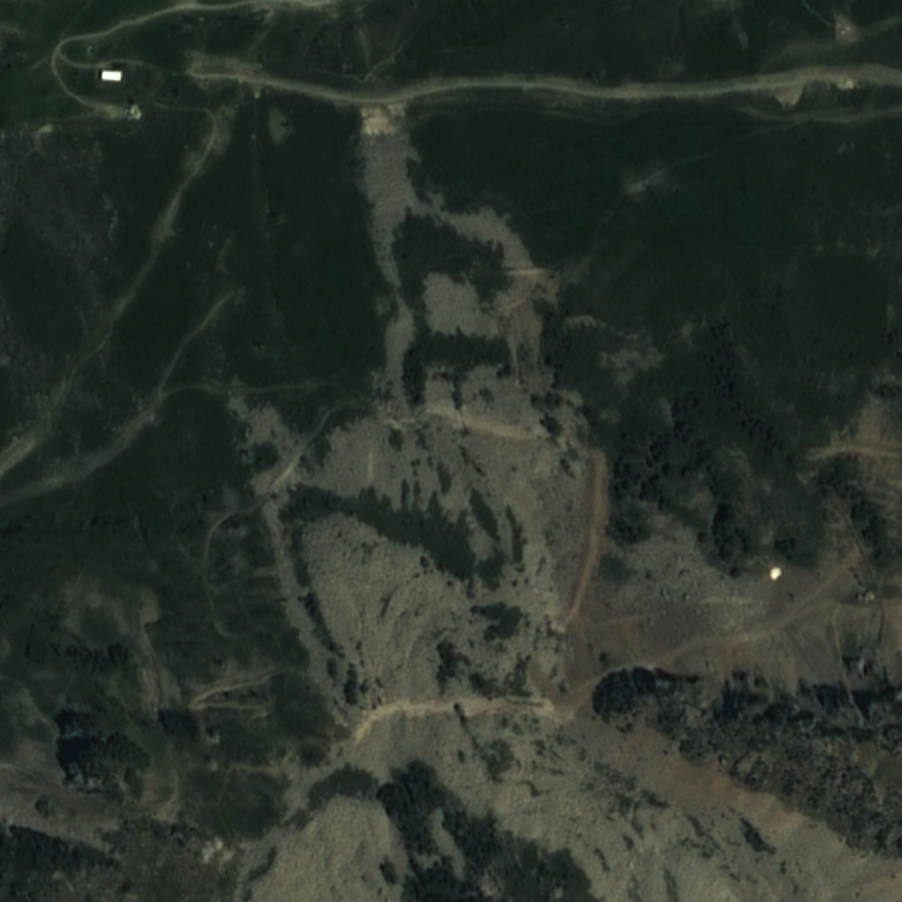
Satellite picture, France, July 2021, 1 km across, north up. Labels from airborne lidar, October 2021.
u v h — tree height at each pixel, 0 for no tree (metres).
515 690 0
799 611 0
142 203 0
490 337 0
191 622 0
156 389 0
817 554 0
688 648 0
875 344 0
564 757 0
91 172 0
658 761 0
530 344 0
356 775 0
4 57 0
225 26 0
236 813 0
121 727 0
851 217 0
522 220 0
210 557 0
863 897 0
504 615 0
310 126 0
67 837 0
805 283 0
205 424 0
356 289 0
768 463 0
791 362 0
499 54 0
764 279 0
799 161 0
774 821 0
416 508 0
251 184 0
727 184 0
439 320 0
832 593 0
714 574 0
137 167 0
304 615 0
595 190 0
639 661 0
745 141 0
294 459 0
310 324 0
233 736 0
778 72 0
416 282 0
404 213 0
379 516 0
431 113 0
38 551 0
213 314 0
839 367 0
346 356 0
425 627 0
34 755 0
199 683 0
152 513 0
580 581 0
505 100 0
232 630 0
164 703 0
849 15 0
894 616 0
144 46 0
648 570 0
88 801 0
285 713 0
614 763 0
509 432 0
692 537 0
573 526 0
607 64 0
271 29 0
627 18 0
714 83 0
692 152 0
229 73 0
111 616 0
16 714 0
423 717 0
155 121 0
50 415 0
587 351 0
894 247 0
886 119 0
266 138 0
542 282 0
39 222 0
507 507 0
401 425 0
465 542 0
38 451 0
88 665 8
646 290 0
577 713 0
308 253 0
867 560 0
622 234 0
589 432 0
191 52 0
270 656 0
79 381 0
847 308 0
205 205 0
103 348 0
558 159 0
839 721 0
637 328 0
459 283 0
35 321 0
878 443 0
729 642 0
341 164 0
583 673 0
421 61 0
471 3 0
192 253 0
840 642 0
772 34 0
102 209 0
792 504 0
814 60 0
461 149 0
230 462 0
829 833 0
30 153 0
